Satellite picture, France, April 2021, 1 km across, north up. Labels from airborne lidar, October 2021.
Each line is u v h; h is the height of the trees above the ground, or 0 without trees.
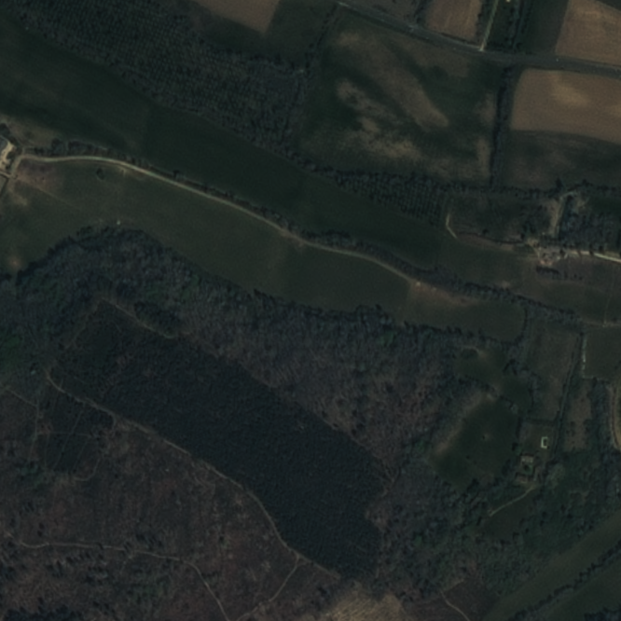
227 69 24
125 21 22
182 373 9
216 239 0
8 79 0
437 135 0
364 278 0
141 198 0
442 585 20
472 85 0
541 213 10
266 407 9
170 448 9
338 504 9
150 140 0
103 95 0
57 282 23
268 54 0
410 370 8
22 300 17
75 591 7
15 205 0
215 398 9
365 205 0
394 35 0
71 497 12
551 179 0
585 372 0
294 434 9
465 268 0
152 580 16
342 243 16
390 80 0
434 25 0
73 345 6
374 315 11
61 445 9
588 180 0
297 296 0
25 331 25
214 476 8
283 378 17
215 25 0
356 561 11
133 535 6
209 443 10
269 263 0
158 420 11
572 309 0
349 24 0
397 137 0
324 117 0
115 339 8
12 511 7
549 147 0
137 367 9
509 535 0
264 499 11
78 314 25
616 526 0
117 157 10
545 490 6
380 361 15
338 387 13
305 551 8
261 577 13
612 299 0
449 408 20
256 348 17
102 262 15
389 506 10
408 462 13
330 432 10
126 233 10
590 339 0
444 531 26
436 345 21
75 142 0
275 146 18
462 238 0
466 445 0
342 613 0
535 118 0
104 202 0
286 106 17
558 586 0
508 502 6
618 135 0
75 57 0
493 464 0
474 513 8
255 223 0
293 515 11
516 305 9
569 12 0
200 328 14
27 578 8
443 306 0
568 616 0
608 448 13
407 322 0
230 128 17
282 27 0
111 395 8
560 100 0
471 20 0
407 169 0
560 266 0
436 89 0
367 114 0
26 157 0
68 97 0
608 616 15
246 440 9
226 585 12
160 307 18
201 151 0
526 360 15
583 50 0
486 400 0
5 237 0
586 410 0
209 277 7
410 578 14
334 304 0
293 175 0
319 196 0
